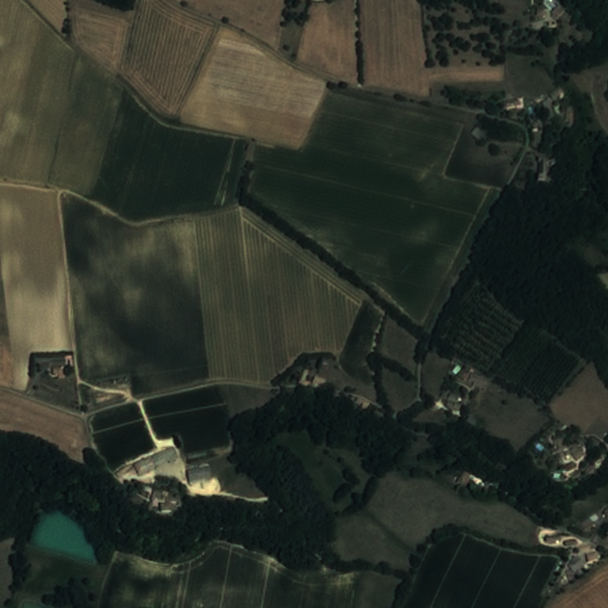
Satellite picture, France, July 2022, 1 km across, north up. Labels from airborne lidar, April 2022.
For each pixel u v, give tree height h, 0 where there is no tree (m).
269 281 0
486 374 10
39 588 0
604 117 0
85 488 26
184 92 0
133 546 16
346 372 0
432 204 0
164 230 0
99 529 20
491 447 13
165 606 0
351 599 0
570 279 24
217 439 0
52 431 0
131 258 0
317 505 24
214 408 0
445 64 12
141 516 19
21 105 0
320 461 0
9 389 0
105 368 0
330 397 14
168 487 10
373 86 0
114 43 0
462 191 0
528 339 6
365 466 14
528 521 0
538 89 0
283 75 0
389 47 0
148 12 0
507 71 0
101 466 18
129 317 0
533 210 17
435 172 0
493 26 13
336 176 0
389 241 0
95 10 0
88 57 0
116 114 0
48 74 0
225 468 0
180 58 0
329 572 0
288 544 19
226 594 0
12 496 24
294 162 0
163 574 0
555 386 6
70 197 0
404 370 13
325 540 9
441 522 0
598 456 18
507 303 15
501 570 0
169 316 0
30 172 0
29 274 0
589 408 0
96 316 0
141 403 0
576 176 24
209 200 0
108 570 0
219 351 0
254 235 0
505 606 0
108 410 0
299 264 0
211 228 0
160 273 0
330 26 0
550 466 7
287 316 0
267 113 0
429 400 12
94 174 0
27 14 0
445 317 15
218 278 0
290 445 0
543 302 17
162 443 0
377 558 0
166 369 0
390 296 0
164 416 0
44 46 0
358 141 0
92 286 0
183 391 0
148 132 0
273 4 0
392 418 9
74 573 0
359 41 7
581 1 23
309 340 0
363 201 0
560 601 0
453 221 0
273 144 0
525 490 15
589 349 17
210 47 0
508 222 20
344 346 0
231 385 0
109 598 0
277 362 0
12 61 0
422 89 0
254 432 9
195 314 0
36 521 29
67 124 0
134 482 11
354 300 0
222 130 0
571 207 17
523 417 0
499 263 20
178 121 0
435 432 16
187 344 0
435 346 13
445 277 0
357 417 12
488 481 20
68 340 0
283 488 21
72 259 0
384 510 0
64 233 0
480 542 0
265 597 0
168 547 22
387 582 0
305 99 0
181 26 0
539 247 23
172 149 0
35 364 7
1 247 0
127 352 0
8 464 20
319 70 0
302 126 0
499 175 0
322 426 6
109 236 0
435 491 0
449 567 0
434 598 0
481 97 6
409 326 11
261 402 0
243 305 0
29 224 0
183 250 0
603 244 0
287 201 0
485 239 20
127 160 0
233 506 12
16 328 0
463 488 11
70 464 15
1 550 0
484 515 0
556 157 14
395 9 0
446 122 0
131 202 0
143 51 0
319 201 0
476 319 10
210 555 0
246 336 0
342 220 0
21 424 0
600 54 21
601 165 17
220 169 0
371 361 12
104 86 0
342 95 0
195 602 0
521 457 6
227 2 0
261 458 21
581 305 17
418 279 0
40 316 0
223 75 0
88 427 0
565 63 15
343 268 10
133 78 0
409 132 0
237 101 0
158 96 0
